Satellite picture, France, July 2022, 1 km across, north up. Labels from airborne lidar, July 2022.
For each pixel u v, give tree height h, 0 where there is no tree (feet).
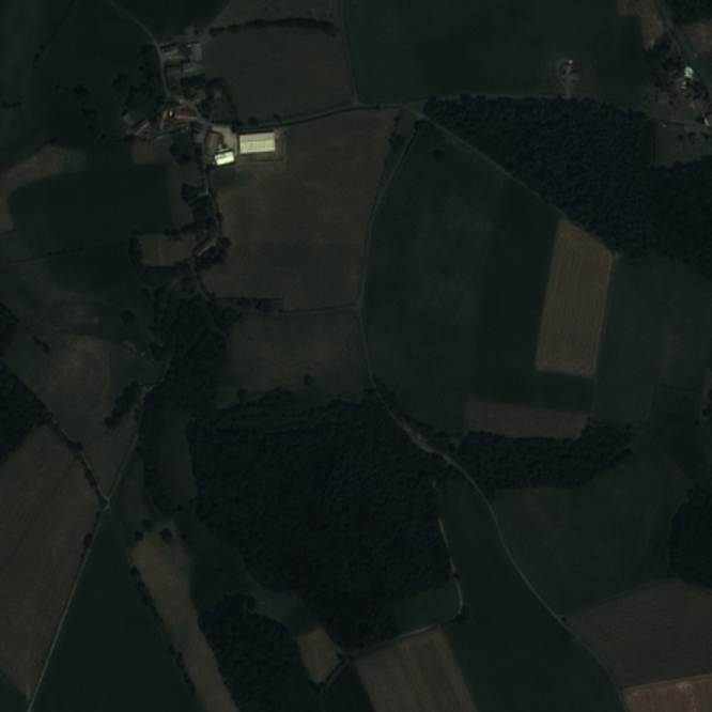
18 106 29
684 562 79
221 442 74
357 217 0
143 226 0
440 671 0
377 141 0
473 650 0
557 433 0
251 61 0
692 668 0
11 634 0
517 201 0
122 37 0
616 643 0
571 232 0
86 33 0
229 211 0
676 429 0
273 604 0
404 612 0
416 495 64
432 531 55
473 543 0
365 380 0
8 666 0
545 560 0
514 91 0
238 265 0
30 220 0
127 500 0
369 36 0
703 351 0
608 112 75
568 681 0
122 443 0
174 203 0
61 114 0
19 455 0
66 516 0
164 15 0
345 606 93
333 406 39
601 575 0
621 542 0
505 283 0
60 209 0
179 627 0
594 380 0
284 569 73
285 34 0
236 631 85
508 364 0
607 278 0
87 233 0
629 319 0
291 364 0
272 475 81
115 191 0
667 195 86
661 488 0
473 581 0
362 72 0
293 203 0
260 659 94
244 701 60
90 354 0
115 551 0
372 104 0
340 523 79
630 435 37
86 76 0
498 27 0
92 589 0
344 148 0
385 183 0
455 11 0
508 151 25
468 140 25
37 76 0
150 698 0
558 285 0
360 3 0
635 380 0
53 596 0
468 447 58
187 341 32
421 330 0
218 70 0
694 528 90
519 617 0
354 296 0
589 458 55
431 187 0
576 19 0
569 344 0
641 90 0
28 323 0
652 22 0
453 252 0
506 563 0
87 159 0
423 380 0
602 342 0
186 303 44
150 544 0
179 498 0
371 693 0
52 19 0
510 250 0
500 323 0
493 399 0
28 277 0
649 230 79
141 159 0
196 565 0
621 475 0
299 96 0
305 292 0
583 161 71
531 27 0
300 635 0
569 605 0
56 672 0
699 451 0
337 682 0
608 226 73
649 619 0
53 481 0
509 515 0
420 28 0
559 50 0
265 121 0
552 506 0
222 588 0
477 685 0
